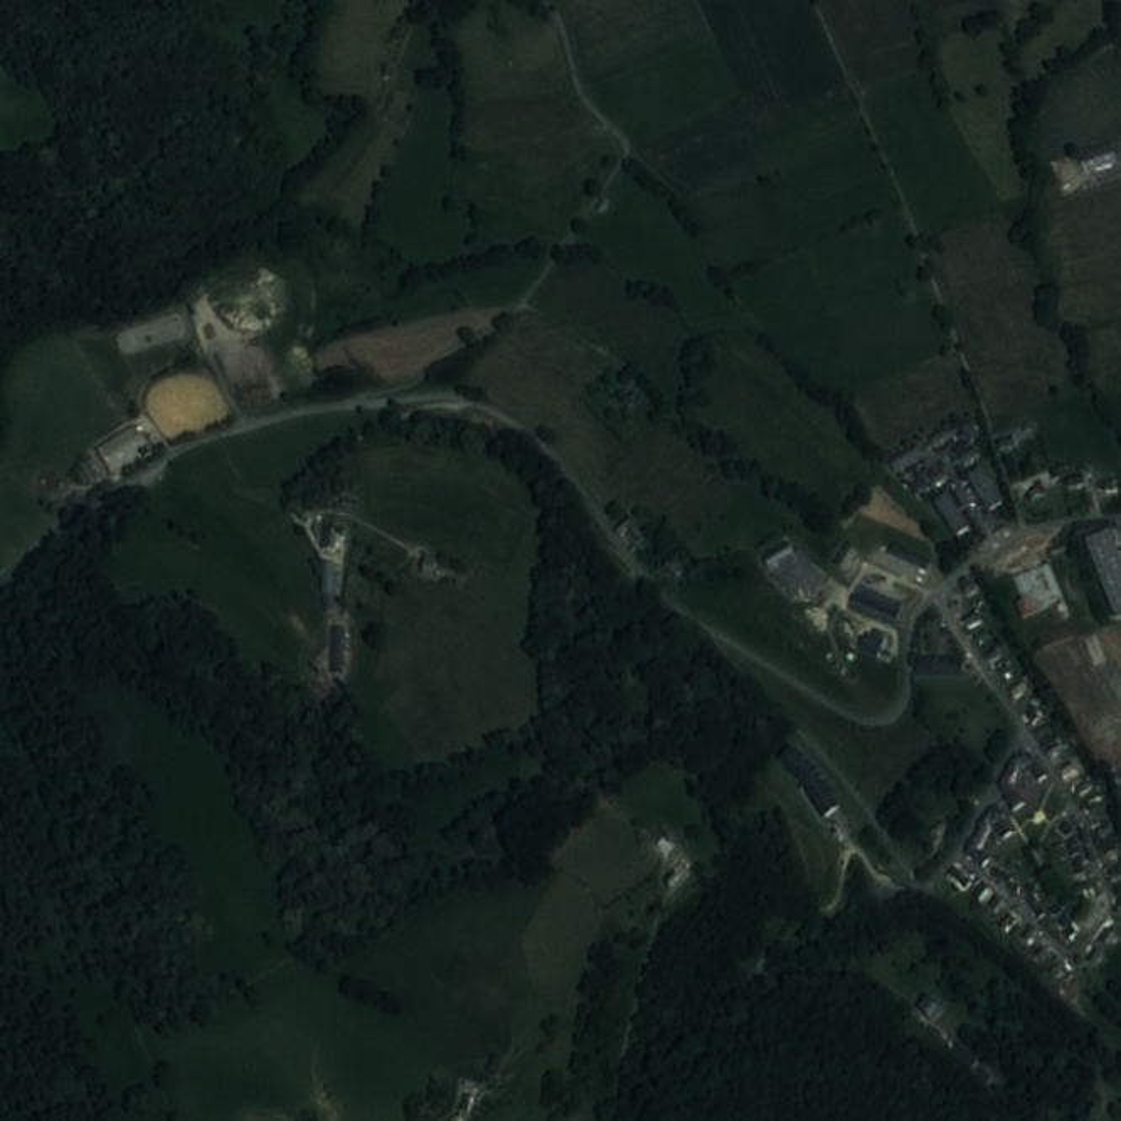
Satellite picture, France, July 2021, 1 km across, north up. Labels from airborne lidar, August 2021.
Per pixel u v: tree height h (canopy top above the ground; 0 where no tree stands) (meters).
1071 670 0
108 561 8
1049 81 19
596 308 0
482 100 0
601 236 0
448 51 18
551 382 0
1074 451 0
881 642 0
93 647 21
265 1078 0
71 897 23
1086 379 15
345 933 21
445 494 0
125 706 0
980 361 0
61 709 12
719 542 0
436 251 0
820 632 0
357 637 0
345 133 14
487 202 0
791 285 0
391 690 0
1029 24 19
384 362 0
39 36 25
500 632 0
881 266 0
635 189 0
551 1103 17
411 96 0
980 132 0
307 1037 0
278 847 22
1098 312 0
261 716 28
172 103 26
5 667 9
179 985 16
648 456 0
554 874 8
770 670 0
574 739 24
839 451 0
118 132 27
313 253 0
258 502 0
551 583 22
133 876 28
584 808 28
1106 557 0
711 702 22
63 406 0
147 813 9
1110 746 0
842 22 0
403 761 0
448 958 0
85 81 26
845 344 0
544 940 0
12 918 15
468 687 0
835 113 0
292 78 11
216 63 25
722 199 0
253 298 0
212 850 0
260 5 0
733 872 14
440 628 0
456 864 0
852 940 12
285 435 0
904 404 0
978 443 10
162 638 13
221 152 19
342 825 24
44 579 23
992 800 0
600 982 22
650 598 21
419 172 0
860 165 0
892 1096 26
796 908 15
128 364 0
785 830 18
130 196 22
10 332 27
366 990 19
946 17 0
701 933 20
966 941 8
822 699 0
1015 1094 15
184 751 0
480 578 0
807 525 8
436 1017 0
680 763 25
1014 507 10
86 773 23
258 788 19
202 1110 0
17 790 25
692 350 16
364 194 0
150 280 25
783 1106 21
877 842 6
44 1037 17
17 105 0
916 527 0
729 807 24
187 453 0
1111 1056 27
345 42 0
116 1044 0
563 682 21
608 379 12
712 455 17
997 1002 14
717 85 0
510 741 17
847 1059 19
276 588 0
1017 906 0
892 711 0
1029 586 0
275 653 0
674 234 0
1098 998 10
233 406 0
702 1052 19
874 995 19
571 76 0
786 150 0
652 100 0
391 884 19
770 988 28
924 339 0
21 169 25
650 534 16
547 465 19
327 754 19
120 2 31
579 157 0
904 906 13
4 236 22
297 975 0
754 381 0
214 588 0
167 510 0
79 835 26
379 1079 0
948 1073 20
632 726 23
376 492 0
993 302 0
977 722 0
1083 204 0
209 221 22
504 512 0
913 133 0
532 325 0
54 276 24
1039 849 11
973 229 0
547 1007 0
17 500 0
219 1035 0
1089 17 0
